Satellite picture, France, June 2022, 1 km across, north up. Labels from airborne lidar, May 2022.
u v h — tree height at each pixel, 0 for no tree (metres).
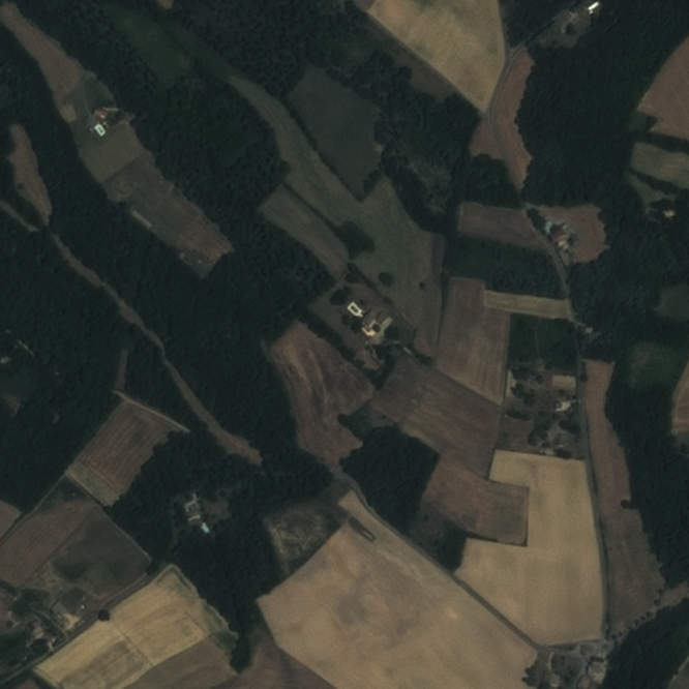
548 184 16
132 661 0
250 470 16
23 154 0
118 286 14
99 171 0
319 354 0
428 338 0
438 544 9
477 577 0
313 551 0
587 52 13
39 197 0
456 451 0
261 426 18
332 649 0
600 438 0
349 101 0
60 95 0
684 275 6
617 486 0
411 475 16
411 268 0
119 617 0
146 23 0
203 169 15
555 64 19
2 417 15
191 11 9
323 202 0
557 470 0
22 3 11
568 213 0
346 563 0
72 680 0
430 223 17
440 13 0
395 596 0
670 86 0
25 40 0
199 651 0
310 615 0
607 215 18
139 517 10
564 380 0
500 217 0
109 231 15
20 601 0
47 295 13
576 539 0
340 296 20
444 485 0
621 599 0
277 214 0
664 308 0
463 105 16
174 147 14
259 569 14
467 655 0
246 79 0
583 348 11
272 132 16
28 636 7
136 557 0
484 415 0
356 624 0
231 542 16
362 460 18
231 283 16
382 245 0
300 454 17
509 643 0
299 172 0
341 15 13
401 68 10
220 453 20
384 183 0
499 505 0
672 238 7
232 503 9
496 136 0
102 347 19
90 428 15
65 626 0
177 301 13
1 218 17
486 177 14
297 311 17
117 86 10
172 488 10
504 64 0
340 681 0
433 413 0
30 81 18
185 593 0
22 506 14
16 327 15
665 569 15
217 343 13
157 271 14
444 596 0
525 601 0
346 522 0
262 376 13
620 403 18
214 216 12
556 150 20
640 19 18
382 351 14
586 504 0
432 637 0
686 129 0
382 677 0
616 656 7
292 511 0
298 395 0
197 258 0
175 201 0
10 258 15
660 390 10
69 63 0
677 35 19
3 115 19
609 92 16
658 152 0
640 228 12
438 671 0
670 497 20
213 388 16
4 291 16
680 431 0
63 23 13
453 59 0
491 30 0
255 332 22
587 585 0
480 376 0
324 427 0
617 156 16
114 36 15
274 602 0
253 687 0
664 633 16
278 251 14
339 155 0
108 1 10
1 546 0
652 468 16
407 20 0
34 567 0
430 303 0
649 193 0
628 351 16
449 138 17
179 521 8
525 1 13
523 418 8
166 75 0
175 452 15
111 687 0
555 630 0
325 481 17
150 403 11
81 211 20
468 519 0
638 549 0
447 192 11
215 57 0
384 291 0
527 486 0
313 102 0
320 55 12
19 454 19
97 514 0
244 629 11
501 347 0
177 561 12
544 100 18
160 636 0
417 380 0
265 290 16
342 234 8
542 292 11
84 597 0
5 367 8
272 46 18
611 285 18
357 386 0
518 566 0
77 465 0
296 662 0
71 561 0
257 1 15
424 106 13
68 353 13
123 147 0
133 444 0
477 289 0
